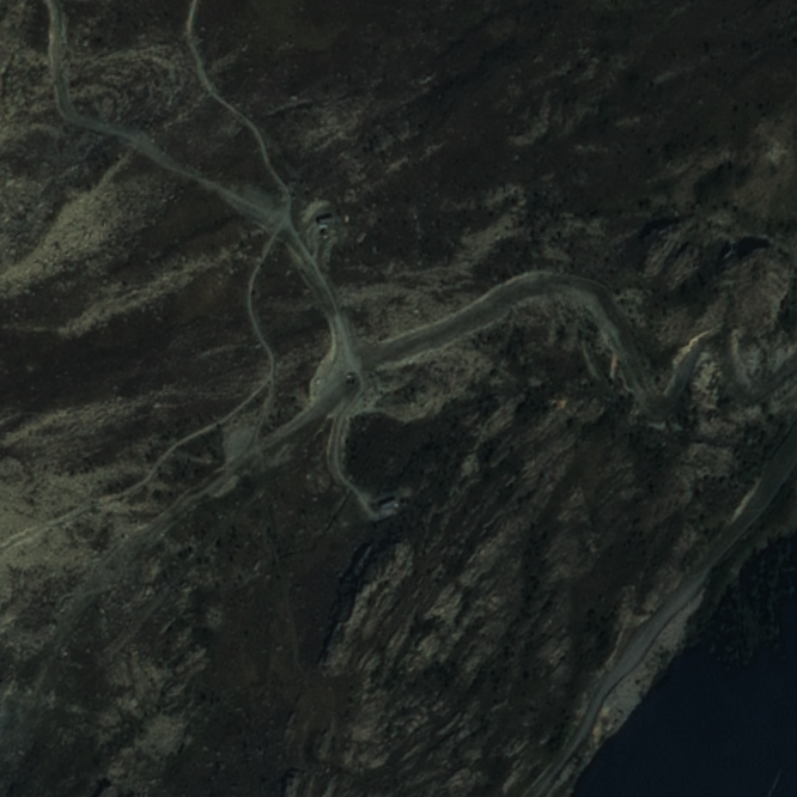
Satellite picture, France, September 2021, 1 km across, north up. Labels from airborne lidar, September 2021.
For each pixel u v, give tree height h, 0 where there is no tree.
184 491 0
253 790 0
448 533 0
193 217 0
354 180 0
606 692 0
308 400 0
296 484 0
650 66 0
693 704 0
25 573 0
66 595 0
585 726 0
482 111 0
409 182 0
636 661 0
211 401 0
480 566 0
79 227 0
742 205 0
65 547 0
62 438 0
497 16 0
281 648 0
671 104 0
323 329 0
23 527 0
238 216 0
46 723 0
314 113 0
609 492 0
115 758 0
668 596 0
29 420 0
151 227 0
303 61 0
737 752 0
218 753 0
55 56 0
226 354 0
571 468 0
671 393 0
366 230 0
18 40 0
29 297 0
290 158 0
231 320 0
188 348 0
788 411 0
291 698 0
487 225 0
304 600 0
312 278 0
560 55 0
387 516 0
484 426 0
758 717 0
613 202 0
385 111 0
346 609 0
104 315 0
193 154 0
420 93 0
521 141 0
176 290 0
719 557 0
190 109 0
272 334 0
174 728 0
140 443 0
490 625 0
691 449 0
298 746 0
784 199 0
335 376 0
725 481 8
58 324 0
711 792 0
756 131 0
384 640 0
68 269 0
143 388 0
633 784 0
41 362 0
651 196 0
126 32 0
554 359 0
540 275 0
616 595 0
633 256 0
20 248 0
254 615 0
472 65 0
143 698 0
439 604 0
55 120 0
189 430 0
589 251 0
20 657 0
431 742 0
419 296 0
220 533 0
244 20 0
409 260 0
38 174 0
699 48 0
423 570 0
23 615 0
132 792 0
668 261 0
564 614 0
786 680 0
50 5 0
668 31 0
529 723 0
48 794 0
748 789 0
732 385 0
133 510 0
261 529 0
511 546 0
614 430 9
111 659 0
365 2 0
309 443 0
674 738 0
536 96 0
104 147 0
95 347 0
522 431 0
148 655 0
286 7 0
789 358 0
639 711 0
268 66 0
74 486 0
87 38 0
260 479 0
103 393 0
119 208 0
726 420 0
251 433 0
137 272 0
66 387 0
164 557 0
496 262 0
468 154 0
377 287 0
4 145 0
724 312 0
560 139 0
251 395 0
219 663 0
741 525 0
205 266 0
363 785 0
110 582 0
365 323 0
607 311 0
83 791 0
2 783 0
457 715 0
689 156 0
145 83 0
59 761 0
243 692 0
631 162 0
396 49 0
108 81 0
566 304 0
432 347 0
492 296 0
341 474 0
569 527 0
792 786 0
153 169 0
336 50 0
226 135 0
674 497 0
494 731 0
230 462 0
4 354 0
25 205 0
